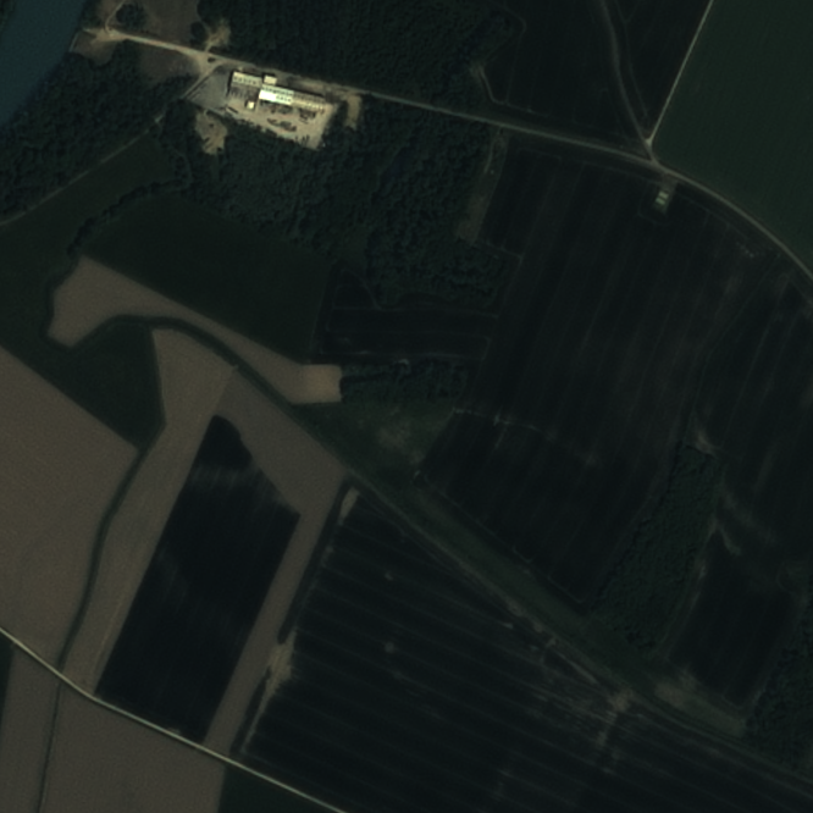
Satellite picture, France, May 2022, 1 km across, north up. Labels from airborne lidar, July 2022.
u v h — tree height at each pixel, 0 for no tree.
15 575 0
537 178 0
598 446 0
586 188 0
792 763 15
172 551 0
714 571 0
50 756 0
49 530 0
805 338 0
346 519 0
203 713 0
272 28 25
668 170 0
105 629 0
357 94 0
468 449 0
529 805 0
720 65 0
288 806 0
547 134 0
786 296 0
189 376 0
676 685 0
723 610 0
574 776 0
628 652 0
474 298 22
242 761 0
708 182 0
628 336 0
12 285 0
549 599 0
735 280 0
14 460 0
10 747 0
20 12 0
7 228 0
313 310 0
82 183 0
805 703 8
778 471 0
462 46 7
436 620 0
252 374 0
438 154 23
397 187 18
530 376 0
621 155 0
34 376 0
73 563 0
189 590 0
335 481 0
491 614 0
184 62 0
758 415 0
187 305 0
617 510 0
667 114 0
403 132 18
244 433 0
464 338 0
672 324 0
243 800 0
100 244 0
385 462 0
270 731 0
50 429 0
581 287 0
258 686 0
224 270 0
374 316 0
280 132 0
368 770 0
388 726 0
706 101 0
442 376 28
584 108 0
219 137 0
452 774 0
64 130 28
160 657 0
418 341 0
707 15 0
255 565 0
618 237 0
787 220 0
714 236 0
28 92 0
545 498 0
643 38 0
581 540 0
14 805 0
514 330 0
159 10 0
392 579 0
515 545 0
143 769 0
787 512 0
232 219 7
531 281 0
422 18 9
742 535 0
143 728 0
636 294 0
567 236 0
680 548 12
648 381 0
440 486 0
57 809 0
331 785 0
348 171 24
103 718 0
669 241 0
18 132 18
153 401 0
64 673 0
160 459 0
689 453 15
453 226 15
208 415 0
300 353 0
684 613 0
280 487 0
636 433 0
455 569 0
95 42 0
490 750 0
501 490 0
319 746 0
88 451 0
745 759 0
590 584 0
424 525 6
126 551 0
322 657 0
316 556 0
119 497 0
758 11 0
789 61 0
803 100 0
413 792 0
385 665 0
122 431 0
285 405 0
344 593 0
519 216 0
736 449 0
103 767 0
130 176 0
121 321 0
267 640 0
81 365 0
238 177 13
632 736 0
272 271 0
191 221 0
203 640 0
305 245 8
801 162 0
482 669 0
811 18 0
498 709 0
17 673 0
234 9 12
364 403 19
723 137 0
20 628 0
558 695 0
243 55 15
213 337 0
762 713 16
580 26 0
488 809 0
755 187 0
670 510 10
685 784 0
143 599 0
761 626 0
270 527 0
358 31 8
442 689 0
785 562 0
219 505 0
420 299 0
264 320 0
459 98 21
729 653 0
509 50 0
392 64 8
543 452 0
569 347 0
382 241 25
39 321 0
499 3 0
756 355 0
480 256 14
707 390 0
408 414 0
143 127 21
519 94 0
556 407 0
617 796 0
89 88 15
